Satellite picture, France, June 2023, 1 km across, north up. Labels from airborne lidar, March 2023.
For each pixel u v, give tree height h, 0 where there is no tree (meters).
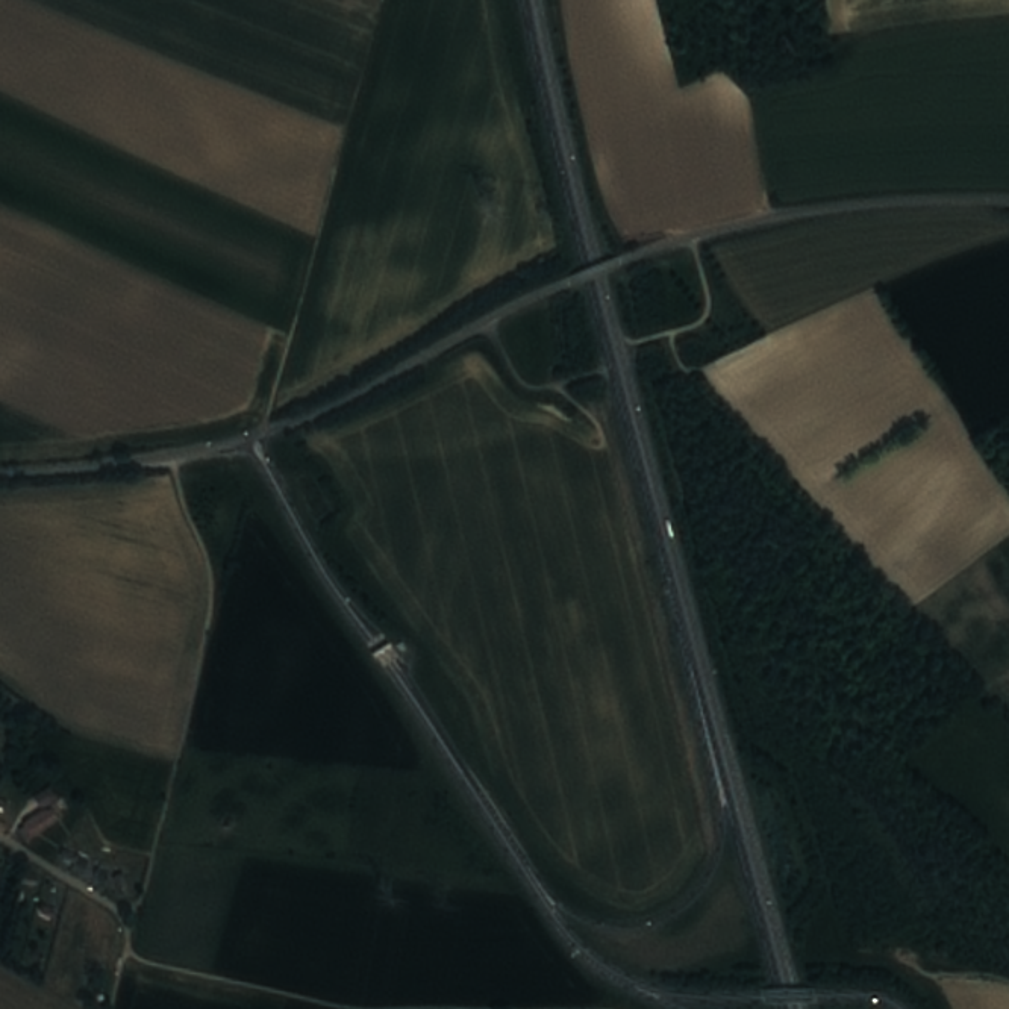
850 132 0
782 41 18
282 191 0
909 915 10
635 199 0
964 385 0
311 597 0
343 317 0
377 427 0
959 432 0
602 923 0
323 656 0
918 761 0
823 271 0
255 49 0
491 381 0
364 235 0
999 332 0
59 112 0
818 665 11
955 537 0
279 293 0
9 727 8
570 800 0
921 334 0
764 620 13
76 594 0
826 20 12
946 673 20
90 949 0
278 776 0
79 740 0
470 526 0
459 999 0
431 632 0
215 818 0
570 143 0
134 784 0
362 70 0
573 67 0
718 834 0
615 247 8
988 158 0
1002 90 0
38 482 6
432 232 0
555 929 0
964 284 0
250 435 0
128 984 0
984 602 0
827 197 0
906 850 16
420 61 0
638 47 0
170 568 0
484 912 0
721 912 0
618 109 0
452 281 0
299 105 0
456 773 0
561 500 0
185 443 0
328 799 0
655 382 10
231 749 0
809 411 0
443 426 0
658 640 0
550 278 6
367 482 0
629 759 0
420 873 0
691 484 14
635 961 0
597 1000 0
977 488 0
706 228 0
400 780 0
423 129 0
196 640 0
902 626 20
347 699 0
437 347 0
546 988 0
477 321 0
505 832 0
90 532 0
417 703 0
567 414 8
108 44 0
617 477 0
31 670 0
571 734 0
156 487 0
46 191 0
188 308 0
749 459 17
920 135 0
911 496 0
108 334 0
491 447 0
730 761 0
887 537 0
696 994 0
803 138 0
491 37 0
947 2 0
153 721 0
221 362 0
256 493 0
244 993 0
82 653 0
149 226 0
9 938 13
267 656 0
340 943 0
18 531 0
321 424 12
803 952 0
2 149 0
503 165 0
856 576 17
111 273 0
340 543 0
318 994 0
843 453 0
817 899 11
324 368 0
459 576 0
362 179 0
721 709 0
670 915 0
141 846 0
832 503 0
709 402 13
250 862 0
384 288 0
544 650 0
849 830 10
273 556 0
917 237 0
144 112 0
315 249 0
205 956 0
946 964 0
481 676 0
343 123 0
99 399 0
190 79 0
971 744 0
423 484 0
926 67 0
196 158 0
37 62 0
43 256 0
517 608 0
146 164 0
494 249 0
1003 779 0
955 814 16
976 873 11
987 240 0
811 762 8
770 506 17
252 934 0
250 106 0
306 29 0
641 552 0
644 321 6
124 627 0
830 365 0
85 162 0
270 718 0
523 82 0
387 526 0
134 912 14
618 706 0
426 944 0
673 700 0
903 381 0
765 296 0
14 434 0
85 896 0
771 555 16
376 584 0
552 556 0
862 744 14
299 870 0
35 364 0
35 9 0
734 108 0
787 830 6
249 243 0
